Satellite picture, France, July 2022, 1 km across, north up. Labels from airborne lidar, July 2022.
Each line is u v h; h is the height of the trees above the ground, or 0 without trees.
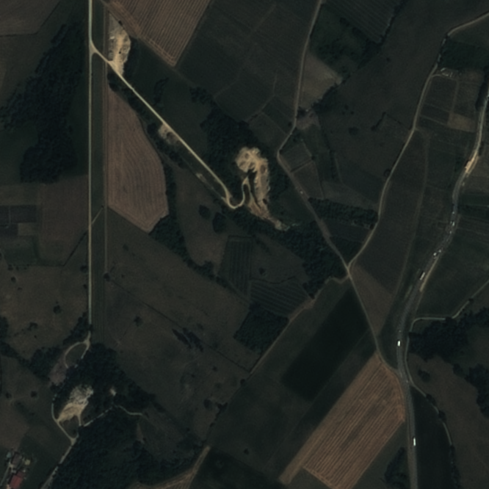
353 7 0
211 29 0
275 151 0
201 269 11
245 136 10
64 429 0
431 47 0
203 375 0
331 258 13
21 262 0
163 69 0
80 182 0
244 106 0
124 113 0
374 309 0
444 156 0
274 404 0
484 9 0
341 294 0
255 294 0
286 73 0
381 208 0
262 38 0
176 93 0
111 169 0
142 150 0
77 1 0
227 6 0
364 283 0
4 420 0
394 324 0
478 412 0
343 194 0
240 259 0
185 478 0
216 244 0
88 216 0
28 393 0
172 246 5
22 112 16
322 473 0
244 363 0
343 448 0
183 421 0
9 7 0
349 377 0
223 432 0
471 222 0
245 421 0
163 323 0
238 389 0
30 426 0
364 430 0
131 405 6
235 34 0
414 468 0
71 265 0
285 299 0
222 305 0
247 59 0
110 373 18
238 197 16
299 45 0
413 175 0
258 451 0
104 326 0
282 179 6
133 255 0
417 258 0
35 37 0
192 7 0
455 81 0
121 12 0
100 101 0
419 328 0
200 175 0
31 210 0
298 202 0
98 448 16
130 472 9
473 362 0
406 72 0
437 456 0
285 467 0
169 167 9
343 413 0
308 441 0
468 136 0
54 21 0
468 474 0
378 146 0
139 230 0
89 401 8
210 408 10
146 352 0
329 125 0
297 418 0
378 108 0
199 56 0
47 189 0
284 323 6
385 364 0
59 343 0
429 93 0
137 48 10
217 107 12
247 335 7
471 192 0
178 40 0
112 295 0
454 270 0
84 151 0
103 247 0
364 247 0
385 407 0
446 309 0
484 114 0
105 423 11
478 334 0
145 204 0
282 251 0
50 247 0
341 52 10
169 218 7
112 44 0
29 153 16
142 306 0
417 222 0
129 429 18
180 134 0
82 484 16
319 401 0
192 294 0
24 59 0
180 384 0
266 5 0
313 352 0
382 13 0
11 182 0
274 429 0
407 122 0
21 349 0
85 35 0
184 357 0
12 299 0
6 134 0
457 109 0
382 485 0
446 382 0
